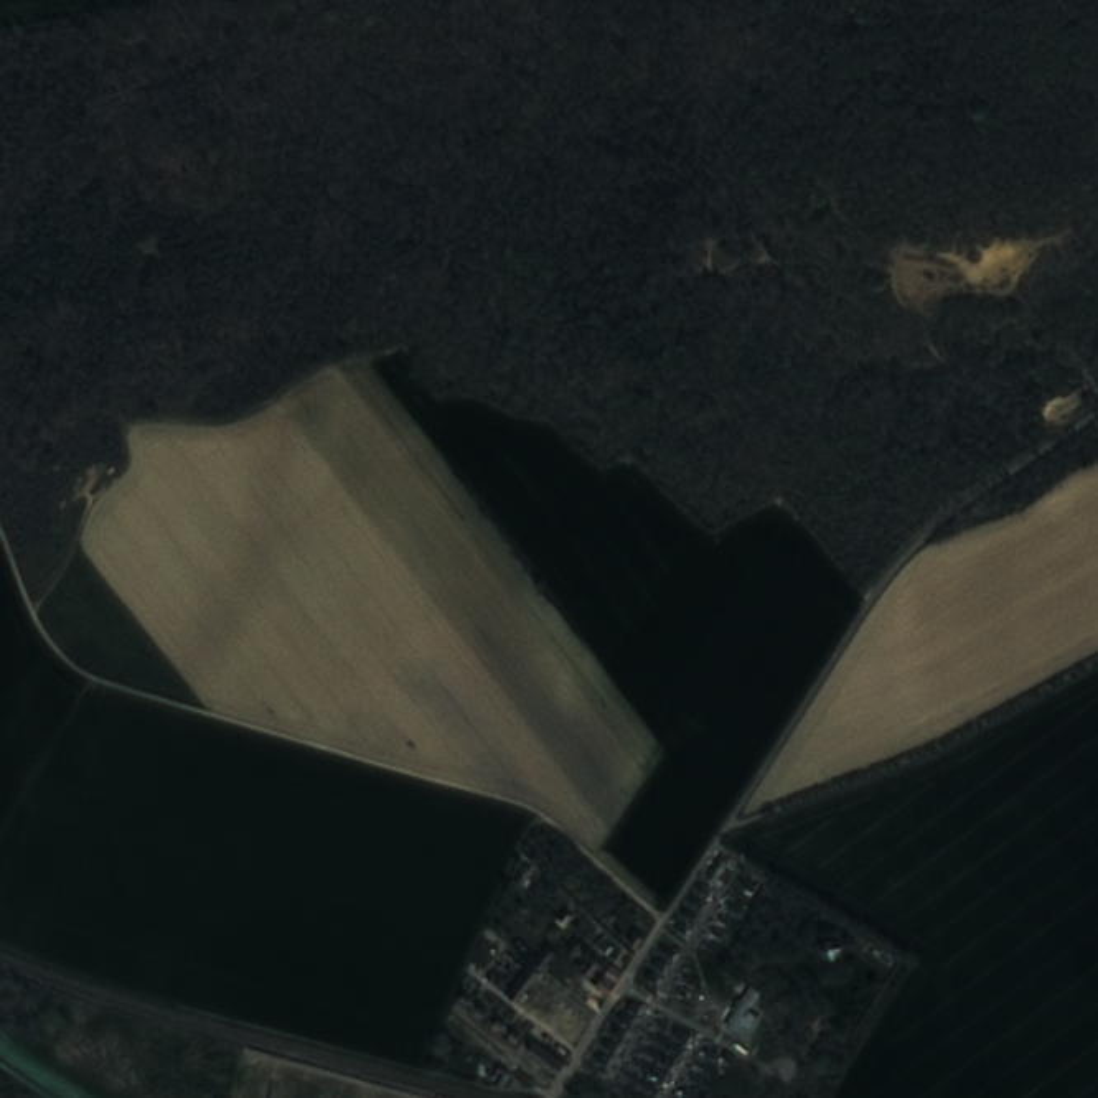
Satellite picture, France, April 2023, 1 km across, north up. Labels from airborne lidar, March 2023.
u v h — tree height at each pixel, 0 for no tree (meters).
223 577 0
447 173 16
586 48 21
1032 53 18
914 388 12
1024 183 14
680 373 19
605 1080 0
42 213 13
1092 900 0
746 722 0
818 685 0
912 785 0
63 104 14
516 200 16
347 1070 0
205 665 0
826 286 9
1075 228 9
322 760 0
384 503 0
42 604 0
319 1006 0
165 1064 0
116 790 0
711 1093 0
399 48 13
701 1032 0
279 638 0
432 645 0
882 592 0
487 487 0
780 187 17
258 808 0
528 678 0
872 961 0
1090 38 24
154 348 18
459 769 0
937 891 0
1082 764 0
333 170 19
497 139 15
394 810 0
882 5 15
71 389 10
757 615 0
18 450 15
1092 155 19
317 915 0
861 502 17
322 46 13
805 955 10
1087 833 0
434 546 0
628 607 0
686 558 0
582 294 18
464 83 20
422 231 16
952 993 0
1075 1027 0
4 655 0
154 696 0
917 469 15
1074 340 20
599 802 0
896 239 9
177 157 18
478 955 0
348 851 0
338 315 14
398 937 0
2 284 13
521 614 0
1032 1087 0
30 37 12
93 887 0
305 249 7
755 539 0
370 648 0
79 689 0
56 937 0
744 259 9
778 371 17
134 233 13
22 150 15
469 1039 0
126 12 16
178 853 0
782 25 14
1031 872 0
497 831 0
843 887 0
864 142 17
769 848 0
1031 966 0
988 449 10
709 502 16
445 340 17
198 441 0
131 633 0
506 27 18
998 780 0
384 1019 0
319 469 0
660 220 20
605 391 16
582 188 16
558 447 0
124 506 0
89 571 0
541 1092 0
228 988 0
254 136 21
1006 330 14
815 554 0
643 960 0
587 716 0
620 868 0
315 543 0
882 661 0
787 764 0
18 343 18
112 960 0
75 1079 0
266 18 20
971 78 15
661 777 0
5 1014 8
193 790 0
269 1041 0
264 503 0
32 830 0
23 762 0
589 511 0
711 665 0
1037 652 0
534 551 0
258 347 13
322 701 0
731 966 17
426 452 0
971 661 0
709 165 13
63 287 12
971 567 0
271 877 0
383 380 0
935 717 0
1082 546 0
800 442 19
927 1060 0
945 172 11
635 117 18
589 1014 0
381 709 0
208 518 0
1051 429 9
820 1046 8
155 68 21
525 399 13
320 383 0
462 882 0
